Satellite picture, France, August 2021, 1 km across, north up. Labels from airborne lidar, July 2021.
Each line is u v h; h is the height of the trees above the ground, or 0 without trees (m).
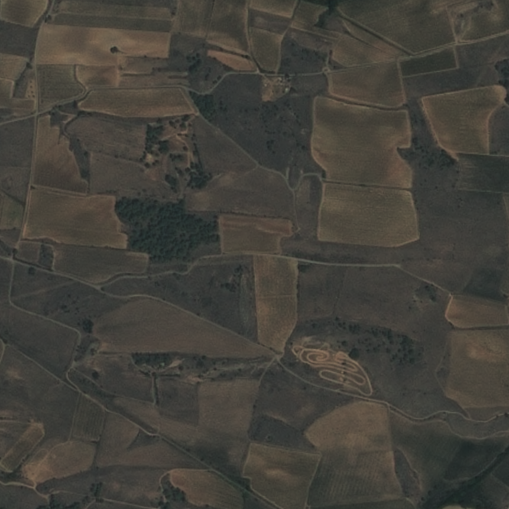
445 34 0
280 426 0
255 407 8
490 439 0
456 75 0
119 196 0
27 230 0
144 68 0
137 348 0
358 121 0
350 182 0
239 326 0
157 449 0
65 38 0
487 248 0
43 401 0
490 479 0
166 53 0
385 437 0
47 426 0
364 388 0
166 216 9
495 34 0
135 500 0
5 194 0
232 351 0
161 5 0
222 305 0
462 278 0
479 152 0
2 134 0
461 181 0
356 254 0
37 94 0
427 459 0
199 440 0
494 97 0
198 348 0
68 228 0
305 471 0
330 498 0
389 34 0
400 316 0
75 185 0
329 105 0
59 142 0
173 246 8
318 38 0
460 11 0
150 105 0
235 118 0
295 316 0
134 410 0
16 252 8
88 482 0
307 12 0
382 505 0
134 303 0
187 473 0
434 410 0
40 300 0
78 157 0
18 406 0
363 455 0
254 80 0
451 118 0
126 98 0
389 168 0
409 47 0
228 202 0
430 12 0
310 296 0
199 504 0
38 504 0
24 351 0
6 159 0
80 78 0
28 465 0
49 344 0
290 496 0
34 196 0
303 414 0
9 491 0
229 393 0
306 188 0
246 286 0
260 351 0
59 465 0
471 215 0
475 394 0
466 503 15
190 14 0
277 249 0
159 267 0
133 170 0
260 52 0
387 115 0
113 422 0
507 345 0
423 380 0
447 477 0
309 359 0
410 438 0
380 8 0
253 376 0
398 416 0
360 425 0
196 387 0
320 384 0
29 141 0
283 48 0
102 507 0
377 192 0
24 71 0
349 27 0
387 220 0
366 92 0
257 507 0
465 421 0
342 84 0
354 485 0
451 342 0
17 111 0
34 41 0
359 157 0
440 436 0
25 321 0
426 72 0
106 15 0
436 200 0
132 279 0
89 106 0
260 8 0
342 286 0
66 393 0
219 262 0
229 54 0
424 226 0
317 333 0
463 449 0
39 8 0
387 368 0
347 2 0
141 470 0
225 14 0
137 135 0
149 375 7
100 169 0
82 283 0
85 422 0
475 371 0
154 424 0
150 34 0
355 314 0
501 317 0
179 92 0
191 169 8
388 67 0
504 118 0
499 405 0
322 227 0
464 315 0
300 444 0
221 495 0
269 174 0
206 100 10
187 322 0
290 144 0
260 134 0
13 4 0
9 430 0
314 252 0
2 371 0
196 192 0
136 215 10
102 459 0
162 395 0
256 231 0
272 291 0
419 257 0
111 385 0
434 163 7
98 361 0
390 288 0
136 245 10
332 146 0
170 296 0
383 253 0
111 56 0
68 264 0
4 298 0
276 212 0
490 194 0
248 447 0
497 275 0
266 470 0
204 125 0
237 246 0
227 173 0
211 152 0
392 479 0
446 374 0
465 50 0
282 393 0
